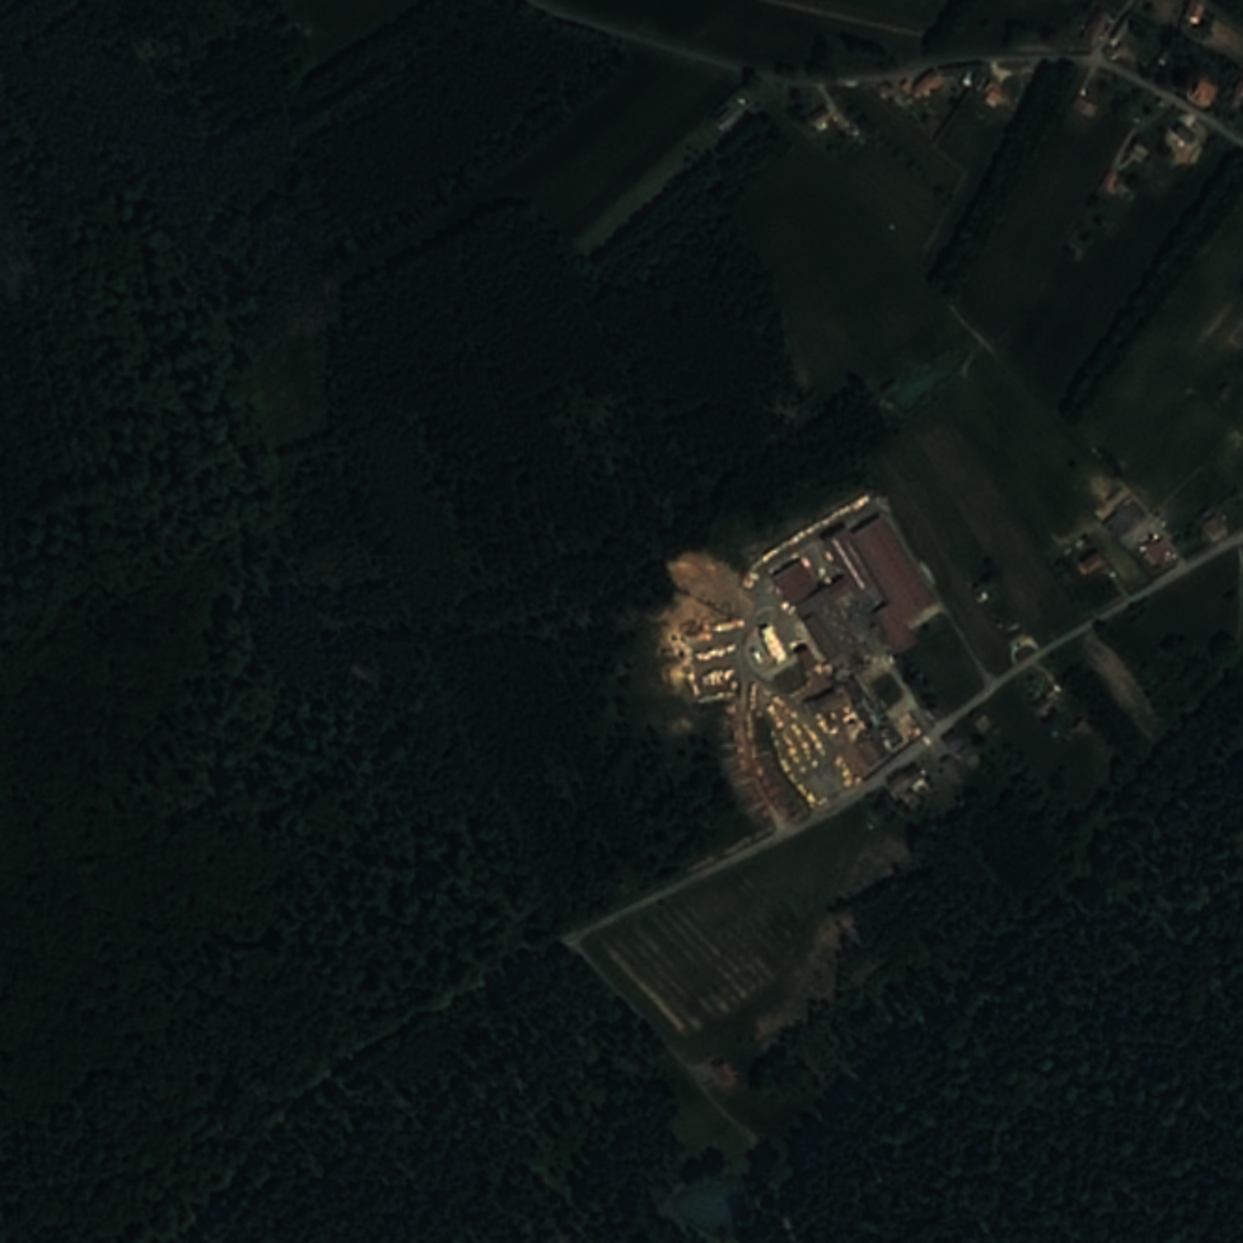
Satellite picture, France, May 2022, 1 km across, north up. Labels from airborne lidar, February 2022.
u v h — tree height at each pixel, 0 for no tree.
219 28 18
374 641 19
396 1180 31
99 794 13
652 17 0
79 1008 12
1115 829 10
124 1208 23
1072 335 0
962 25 17
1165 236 0
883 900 15
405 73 15
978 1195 25
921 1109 27
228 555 9
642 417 10
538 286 17
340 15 0
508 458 11
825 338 0
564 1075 32
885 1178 26
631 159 0
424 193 13
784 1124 0
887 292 0
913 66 0
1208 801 27
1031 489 0
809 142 0
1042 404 0
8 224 22
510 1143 30
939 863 21
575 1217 37
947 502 0
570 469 8
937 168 0
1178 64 18
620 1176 34
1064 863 11
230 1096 26
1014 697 0
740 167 20
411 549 21
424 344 15
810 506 0
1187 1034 25
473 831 29
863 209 0
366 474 12
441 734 25
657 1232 11
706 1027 0
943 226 0
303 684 17
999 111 0
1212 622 0
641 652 0
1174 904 23
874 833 0
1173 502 0
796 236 0
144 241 34
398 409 11
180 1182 22
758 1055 0
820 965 0
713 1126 0
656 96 0
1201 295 0
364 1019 26
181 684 9
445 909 35
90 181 25
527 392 16
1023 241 0
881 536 0
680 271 17
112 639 18
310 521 8
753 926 0
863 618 0
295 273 27
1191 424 0
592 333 16
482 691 14
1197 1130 25
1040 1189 25
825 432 16
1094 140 0
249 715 34
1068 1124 32
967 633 0
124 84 28
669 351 16
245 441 33
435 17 16
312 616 21
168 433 10
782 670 0
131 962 14
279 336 23
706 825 8
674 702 0
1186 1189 26
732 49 0
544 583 11
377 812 9
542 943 16
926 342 0
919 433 0
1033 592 0
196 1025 21
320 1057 28
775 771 0
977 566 0
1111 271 0
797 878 0
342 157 16
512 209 11
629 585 12
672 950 0
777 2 0
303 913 32
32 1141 22
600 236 0
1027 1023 21
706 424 15
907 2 0
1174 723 14
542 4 0
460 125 16
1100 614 0
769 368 14
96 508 37
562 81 10
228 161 28
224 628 36
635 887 0
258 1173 27
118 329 35
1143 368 0
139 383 38
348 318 10
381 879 36
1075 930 23
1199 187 0
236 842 18
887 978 7
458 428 15
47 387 9
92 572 34
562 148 0
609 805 15
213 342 37
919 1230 29
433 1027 26
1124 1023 18
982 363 0
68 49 29
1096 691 10
